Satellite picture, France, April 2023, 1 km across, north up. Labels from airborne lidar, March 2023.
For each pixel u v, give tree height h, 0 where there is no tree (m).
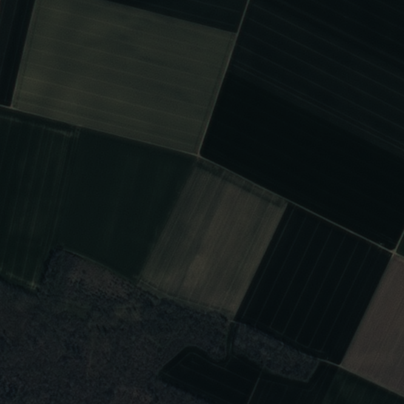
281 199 0
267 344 16
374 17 0
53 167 0
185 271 0
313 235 0
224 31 0
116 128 0
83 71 0
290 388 0
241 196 0
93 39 0
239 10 0
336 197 0
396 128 0
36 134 0
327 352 0
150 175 0
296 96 0
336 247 0
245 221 0
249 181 0
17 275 0
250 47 0
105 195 0
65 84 0
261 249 0
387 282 0
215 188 0
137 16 0
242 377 0
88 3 0
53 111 0
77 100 0
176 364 0
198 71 0
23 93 0
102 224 0
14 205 0
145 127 0
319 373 0
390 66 0
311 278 0
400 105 0
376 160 0
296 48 0
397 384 0
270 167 0
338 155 0
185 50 0
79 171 0
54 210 0
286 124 0
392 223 0
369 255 0
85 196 0
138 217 0
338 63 0
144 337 18
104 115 0
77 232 0
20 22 0
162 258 0
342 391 0
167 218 0
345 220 0
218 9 0
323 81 0
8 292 22
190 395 18
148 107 0
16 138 0
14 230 0
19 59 0
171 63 0
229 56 0
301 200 0
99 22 0
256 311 0
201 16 0
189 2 0
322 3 0
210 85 0
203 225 0
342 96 0
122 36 0
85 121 0
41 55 0
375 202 0
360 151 0
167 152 0
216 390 0
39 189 0
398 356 0
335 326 0
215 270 0
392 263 0
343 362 0
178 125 0
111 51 0
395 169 0
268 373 0
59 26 0
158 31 0
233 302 0
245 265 0
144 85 0
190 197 0
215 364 0
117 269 0
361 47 0
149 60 0
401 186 0
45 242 0
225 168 0
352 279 0
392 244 0
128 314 0
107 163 0
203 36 0
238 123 0
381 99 0
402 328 0
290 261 0
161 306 7
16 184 0
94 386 18
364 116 0
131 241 0
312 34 0
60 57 0
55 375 13
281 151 0
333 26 0
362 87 0
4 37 0
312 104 0
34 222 0
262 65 0
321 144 0
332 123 0
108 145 0
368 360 0
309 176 0
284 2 0
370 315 0
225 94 0
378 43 0
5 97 0
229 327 0
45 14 0
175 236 0
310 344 0
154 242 0
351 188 0
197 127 0
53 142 0
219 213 0
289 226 0
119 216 0
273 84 0
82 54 0
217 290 0
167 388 9
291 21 0
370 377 0
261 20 0
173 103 0
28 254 0
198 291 0
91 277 0
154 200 0
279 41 0
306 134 0
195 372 0
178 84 0
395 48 0
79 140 0
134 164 0
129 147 0
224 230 0
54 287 19
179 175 0
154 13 0
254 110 0
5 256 0
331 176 0
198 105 0
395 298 0
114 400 26
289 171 0
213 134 0
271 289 0
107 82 0
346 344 0
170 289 0
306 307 0
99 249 0
